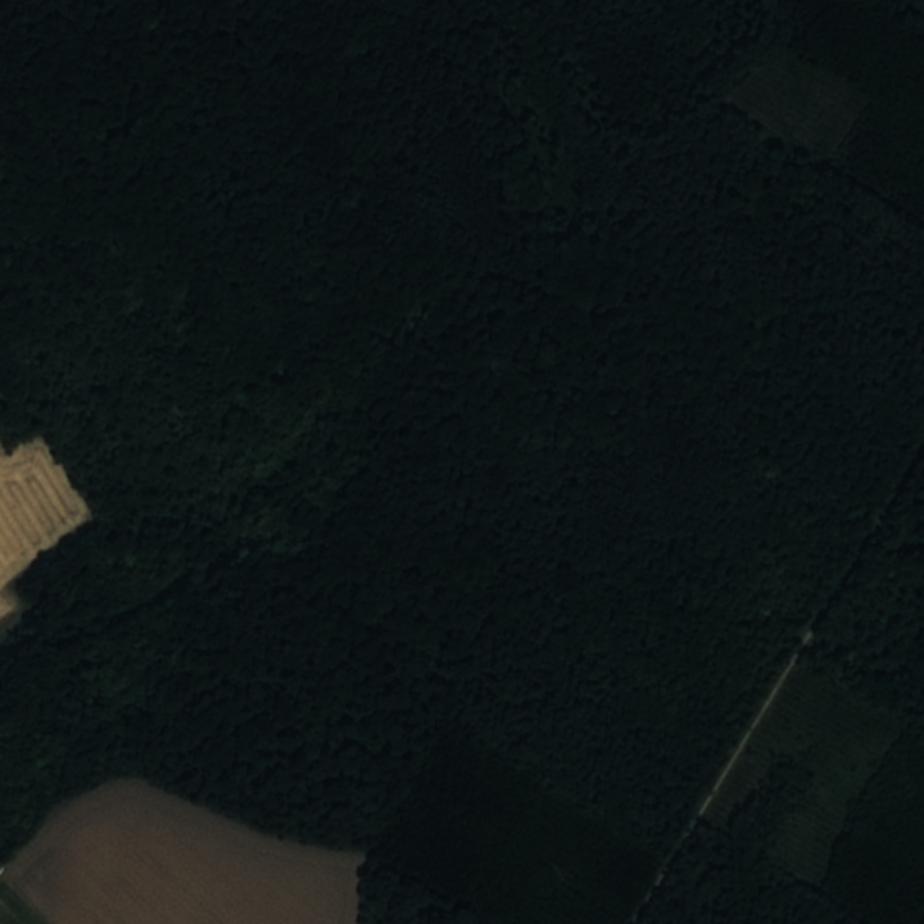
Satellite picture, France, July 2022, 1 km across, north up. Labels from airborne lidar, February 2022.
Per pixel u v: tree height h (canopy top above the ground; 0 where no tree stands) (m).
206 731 19
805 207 9
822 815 0
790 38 16
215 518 19
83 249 22
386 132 27
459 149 14
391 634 26
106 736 20
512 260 16
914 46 12
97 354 16
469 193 16
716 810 0
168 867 0
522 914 6
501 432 21
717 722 18
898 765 9
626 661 22
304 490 9
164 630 9
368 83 28
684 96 12
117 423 15
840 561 19
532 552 23
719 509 15
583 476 18
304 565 21
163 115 22
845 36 12
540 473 17
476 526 23
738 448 19
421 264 24
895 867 11
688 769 17
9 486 0
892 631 19
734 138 23
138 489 15
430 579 26
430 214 24
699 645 19
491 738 21
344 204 23
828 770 0
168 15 29
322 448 22
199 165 22
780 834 11
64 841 0
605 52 15
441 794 13
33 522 0
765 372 22
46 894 0
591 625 19
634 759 22
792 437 20
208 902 0
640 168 25
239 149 22
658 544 19
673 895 15
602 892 6
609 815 20
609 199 20
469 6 27
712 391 23
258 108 22
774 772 13
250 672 21
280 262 24
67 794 13
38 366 17
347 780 21
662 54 13
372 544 24
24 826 13
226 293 22
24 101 23
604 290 24
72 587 18
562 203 0
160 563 18
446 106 16
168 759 17
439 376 21
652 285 23
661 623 21
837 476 22
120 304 16
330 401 7
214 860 0
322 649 24
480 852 13
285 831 8
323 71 25
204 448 9
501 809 12
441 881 15
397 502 20
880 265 25
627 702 20
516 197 28
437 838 14
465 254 25
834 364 22
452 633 21
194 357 17
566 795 9
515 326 25
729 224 24
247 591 22
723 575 24
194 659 19
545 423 18
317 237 26
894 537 23
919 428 21
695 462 22
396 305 21
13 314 17
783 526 21
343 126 29
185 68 25
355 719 25
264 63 26
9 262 16
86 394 19
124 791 0
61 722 9
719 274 8
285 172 23
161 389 6
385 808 22
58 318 13
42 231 18
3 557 0
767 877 12
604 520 20
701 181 28
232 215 24
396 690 28
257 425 19
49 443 14
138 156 19
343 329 20
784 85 0
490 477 22
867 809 9
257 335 21
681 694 16
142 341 17
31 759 17
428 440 25
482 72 22
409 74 20
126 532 25
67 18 24
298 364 20
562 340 22
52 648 18
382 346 17
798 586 16
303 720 17
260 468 14
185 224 23
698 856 19
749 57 24
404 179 24
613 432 20
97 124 21
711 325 21
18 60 23
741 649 19
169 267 19
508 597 20
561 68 27
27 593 21
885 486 22
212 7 27
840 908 17
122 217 22
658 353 24
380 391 21
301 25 24
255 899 0
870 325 22
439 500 24
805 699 0
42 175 23
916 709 18
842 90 0
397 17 18
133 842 0
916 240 25
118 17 25
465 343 25
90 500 12
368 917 10
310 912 0
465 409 19
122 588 12
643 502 21
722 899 10
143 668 8
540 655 20
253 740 24
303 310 22
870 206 23
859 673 21
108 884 0
